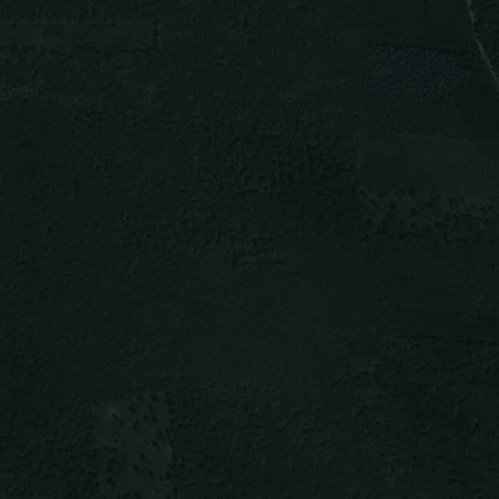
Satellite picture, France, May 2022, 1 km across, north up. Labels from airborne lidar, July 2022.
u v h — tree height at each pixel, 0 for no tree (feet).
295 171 94
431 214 94
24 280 77
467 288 64
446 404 93
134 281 59
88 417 66
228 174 81
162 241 27
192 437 78
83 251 71
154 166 70
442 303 59
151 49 68
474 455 86
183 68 60
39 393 73
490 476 82
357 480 76
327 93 84
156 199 73
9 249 76
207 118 68
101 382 61
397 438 94
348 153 95
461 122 43
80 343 68
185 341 60
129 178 73
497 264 44
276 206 96
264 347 55
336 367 70
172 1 79
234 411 57
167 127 61
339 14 73
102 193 66
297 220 87
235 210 84
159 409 0
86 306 67
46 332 78
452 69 108
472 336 43
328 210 94
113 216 67
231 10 72
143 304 56
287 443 96
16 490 61
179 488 55
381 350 75
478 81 63
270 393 59
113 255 66
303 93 70
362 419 76
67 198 99
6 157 87
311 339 58
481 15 50
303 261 67
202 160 46
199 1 63
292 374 56
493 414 82
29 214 82
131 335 59
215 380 56
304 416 75
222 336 55
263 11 71
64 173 82
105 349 59
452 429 94
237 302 65
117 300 61
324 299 56
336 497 72
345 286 54
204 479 58
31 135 91
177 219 82
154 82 63
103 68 89
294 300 64
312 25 71
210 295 51
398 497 68
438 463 97
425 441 93
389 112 53
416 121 63
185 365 62
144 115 64
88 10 76
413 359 83
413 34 27
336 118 76
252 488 60
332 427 81
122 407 0
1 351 66
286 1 85
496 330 41
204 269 61
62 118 73
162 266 47
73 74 78
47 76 76
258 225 87
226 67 90
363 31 63
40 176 89
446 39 33
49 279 74
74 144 81
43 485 73
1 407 79
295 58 61
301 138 95
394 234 86
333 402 85
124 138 66
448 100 49
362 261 49
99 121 59
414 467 79
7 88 48
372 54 95
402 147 48
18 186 93
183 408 86
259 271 77
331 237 72
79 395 74
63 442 60
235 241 86
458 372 94
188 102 63
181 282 64
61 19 74
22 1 80
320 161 31
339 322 55
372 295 58
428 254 53
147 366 61
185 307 56
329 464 74
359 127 54
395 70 116
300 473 86
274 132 73
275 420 83
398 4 30
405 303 47
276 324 72
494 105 56
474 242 65
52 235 89
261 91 67
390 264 63
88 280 72
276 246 75
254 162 82
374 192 70
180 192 89
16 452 76
